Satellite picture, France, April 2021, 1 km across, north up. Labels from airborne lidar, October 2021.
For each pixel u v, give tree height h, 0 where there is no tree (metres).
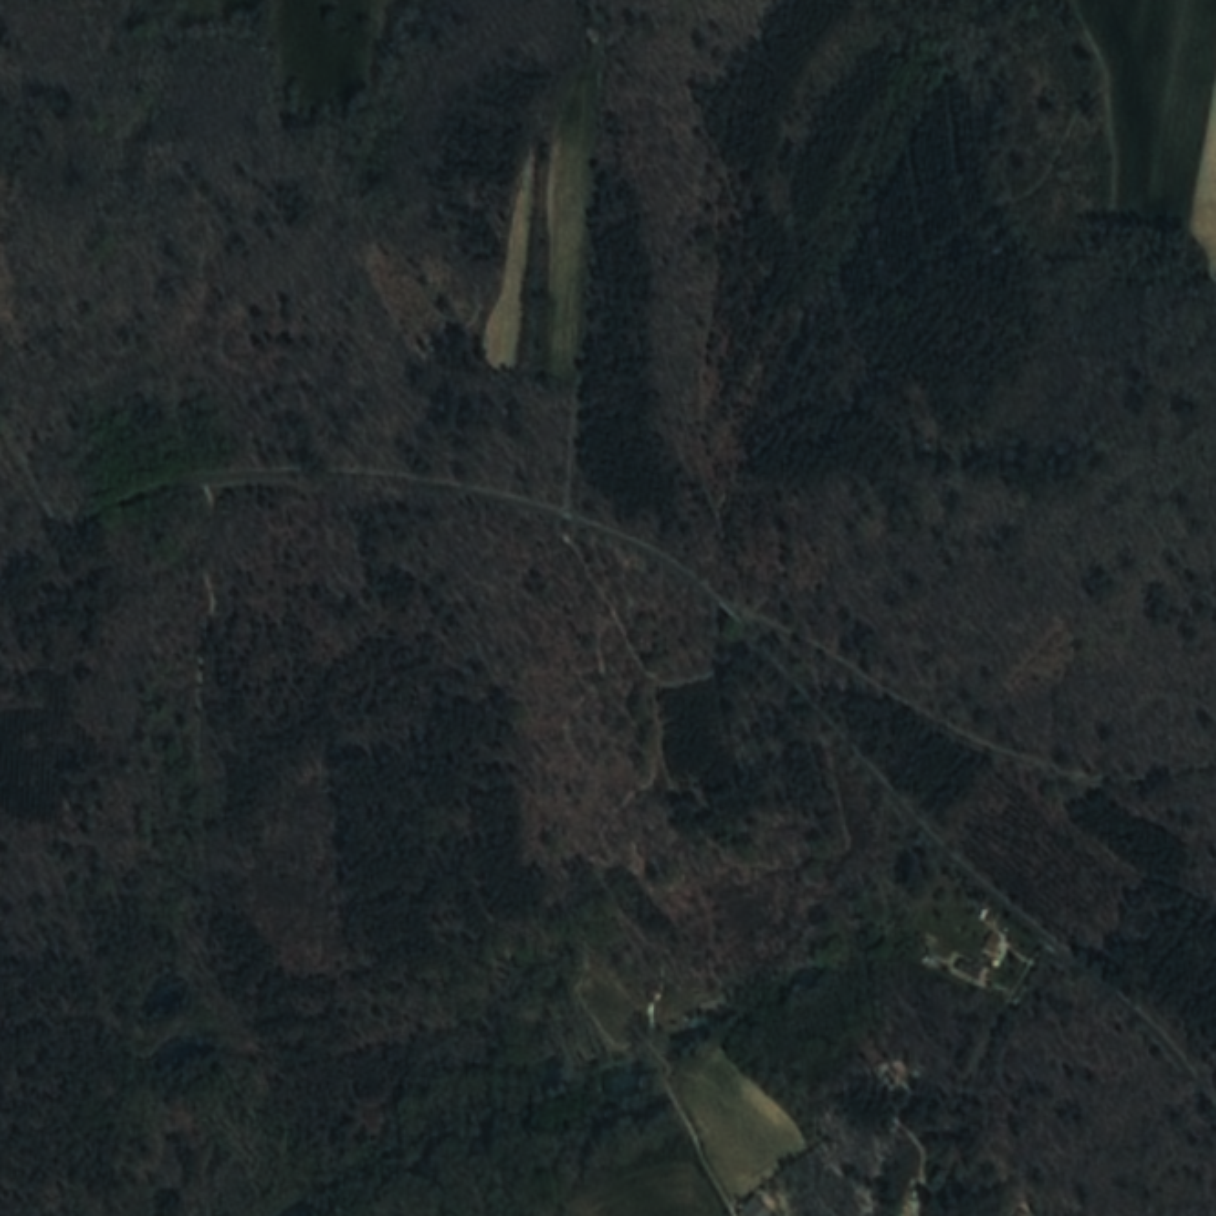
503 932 24
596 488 12
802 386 14
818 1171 14
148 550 14
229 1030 13
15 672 11
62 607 25
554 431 13
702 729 8
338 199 18
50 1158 27
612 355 13
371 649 11
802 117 14
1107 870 6
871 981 19
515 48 14
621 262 14
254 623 7
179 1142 10
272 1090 16
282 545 9
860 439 23
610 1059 36
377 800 24
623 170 8
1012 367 24
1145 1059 8
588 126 0
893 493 15
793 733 25
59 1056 25
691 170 11
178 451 18
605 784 0
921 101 20
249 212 13
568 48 12
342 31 6
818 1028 19
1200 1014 21
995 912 6
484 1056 7
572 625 7
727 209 9
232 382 12
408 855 26
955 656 14
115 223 22
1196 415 17
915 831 10
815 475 23
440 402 15
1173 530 20
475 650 15
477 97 15
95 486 16
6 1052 24
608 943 23
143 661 12
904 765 17
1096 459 20
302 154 21
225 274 11
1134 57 0
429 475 22
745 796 22
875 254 20
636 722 18
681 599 9
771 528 7
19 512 15
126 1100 26
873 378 13
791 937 15
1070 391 15
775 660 20
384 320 17
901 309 21
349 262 16
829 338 18
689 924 11
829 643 13
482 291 12
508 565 8
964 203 18
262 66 17
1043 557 15
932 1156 20
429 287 20
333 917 8
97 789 8
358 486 10
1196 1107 10
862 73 20
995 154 18
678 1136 17
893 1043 9
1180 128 0
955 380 22
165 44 17
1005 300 26
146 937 23
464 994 22
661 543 8
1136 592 17
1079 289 20
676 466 10
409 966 24
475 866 24
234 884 15
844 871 11
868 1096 13
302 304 13
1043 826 8
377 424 18
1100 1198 14
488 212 13
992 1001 9
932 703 16
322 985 9
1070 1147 13
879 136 16
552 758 11
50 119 26
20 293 14
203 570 14
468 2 16
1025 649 13
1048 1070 15
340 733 12
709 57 20
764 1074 19
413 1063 16
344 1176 16
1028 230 8
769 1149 0
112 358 8
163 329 19
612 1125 6
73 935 16
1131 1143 9
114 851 11
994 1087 14
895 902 12
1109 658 14
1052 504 15
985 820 9
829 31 23
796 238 15
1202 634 13
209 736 11
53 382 14
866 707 23
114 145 15
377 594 16
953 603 15
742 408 9
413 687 8
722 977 14
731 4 20
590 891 24
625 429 15
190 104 18
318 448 20
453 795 26
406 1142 19
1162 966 21
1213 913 19
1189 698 16
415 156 14
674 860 10
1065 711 18
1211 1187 9
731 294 9
